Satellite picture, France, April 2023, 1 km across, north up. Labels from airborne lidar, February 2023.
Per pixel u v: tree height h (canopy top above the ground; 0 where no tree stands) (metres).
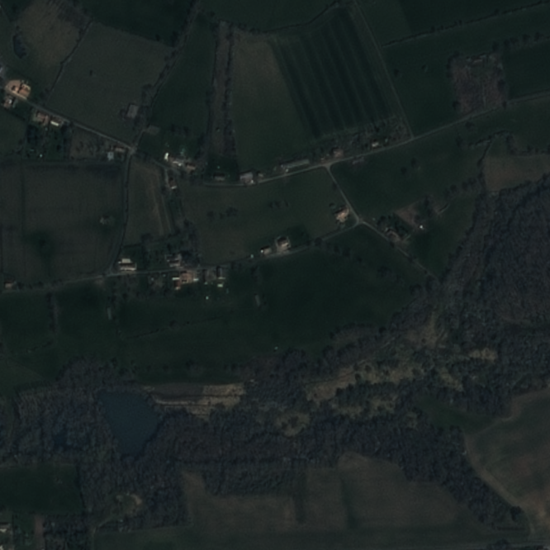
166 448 16
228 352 0
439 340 0
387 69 0
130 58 0
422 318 9
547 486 0
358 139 7
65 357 0
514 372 18
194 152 0
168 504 24
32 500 0
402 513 0
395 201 0
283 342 0
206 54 0
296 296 0
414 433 15
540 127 0
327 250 17
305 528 0
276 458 8
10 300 0
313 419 14
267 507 0
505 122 0
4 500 0
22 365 0
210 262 0
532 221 14
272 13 0
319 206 0
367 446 20
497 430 0
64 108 0
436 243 0
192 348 0
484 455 0
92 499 25
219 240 0
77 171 0
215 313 0
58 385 5
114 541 0
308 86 0
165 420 15
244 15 0
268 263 0
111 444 14
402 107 0
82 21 0
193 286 0
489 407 26
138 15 0
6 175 0
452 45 0
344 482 0
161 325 0
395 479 0
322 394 0
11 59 0
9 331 0
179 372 0
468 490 16
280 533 0
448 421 0
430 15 0
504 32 0
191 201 0
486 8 0
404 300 0
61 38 0
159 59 0
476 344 0
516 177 0
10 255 0
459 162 0
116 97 0
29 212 0
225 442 11
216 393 0
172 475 23
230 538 0
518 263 18
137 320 0
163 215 0
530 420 0
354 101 0
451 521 0
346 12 0
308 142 0
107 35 0
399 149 0
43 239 0
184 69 0
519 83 0
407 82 0
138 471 22
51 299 14
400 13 0
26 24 0
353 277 0
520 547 0
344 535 0
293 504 0
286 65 0
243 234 0
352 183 0
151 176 0
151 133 0
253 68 0
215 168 0
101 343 0
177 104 0
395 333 11
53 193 0
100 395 0
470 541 0
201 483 0
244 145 0
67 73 0
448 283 16
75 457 25
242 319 0
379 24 0
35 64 0
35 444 18
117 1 0
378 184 0
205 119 0
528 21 0
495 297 21
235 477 22
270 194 0
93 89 0
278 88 0
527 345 13
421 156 0
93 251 0
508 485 0
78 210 0
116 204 0
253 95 0
